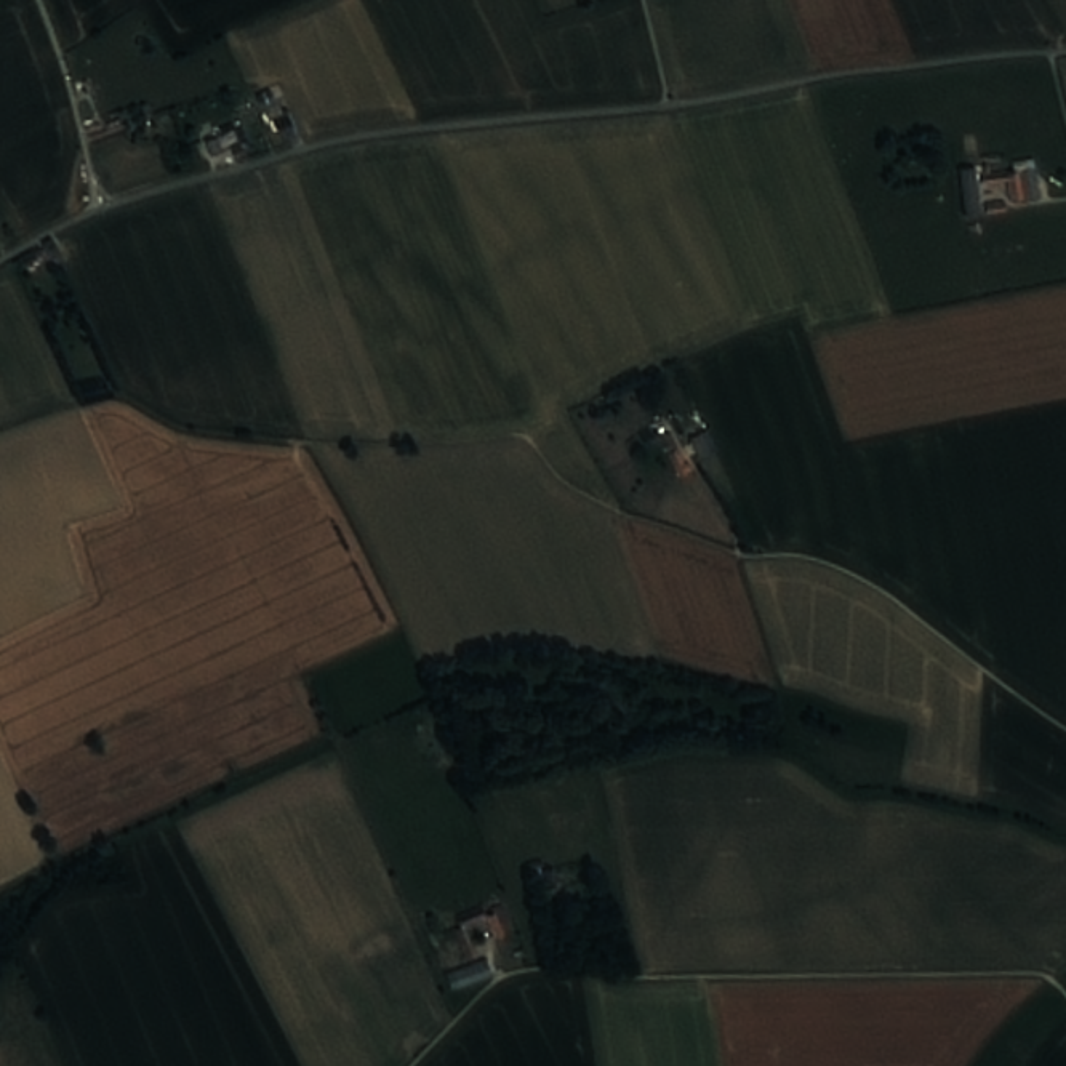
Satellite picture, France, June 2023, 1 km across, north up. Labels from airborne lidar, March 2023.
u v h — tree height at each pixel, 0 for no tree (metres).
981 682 0
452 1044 0
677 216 0
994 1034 0
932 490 0
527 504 0
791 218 0
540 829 0
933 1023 0
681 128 0
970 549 0
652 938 0
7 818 0
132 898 0
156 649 0
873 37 0
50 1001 0
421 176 0
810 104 0
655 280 0
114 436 0
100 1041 0
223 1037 0
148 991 0
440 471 0
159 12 0
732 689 11
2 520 0
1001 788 0
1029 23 0
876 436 0
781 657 0
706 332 0
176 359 0
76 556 0
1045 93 0
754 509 0
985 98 0
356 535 0
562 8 0
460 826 0
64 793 0
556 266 0
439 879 0
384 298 0
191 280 0
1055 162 0
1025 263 0
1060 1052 0
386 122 0
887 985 0
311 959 0
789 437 0
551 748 25
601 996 0
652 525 0
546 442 0
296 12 0
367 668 0
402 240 0
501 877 0
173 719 0
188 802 8
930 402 0
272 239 0
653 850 0
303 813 0
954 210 0
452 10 0
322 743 0
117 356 0
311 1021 0
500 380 0
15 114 0
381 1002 0
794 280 0
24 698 0
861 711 0
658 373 14
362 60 0
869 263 0
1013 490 0
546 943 22
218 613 0
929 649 0
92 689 0
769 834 0
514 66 0
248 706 0
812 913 0
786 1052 0
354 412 0
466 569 0
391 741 0
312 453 0
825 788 0
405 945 0
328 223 0
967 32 0
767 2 0
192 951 0
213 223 0
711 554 0
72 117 0
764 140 0
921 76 0
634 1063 0
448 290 0
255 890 0
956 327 0
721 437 0
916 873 0
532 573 0
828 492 0
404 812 0
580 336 0
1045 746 0
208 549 0
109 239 0
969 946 0
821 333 0
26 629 0
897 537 0
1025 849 0
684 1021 0
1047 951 0
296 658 0
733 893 0
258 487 0
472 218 0
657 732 18
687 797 0
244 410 0
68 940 0
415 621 0
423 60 0
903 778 0
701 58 0
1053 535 0
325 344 0
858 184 0
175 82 0
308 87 0
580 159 0
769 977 0
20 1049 0
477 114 0
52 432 0
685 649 0
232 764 0
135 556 0
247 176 0
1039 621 0
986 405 0
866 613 0
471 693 21
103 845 18
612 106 0
